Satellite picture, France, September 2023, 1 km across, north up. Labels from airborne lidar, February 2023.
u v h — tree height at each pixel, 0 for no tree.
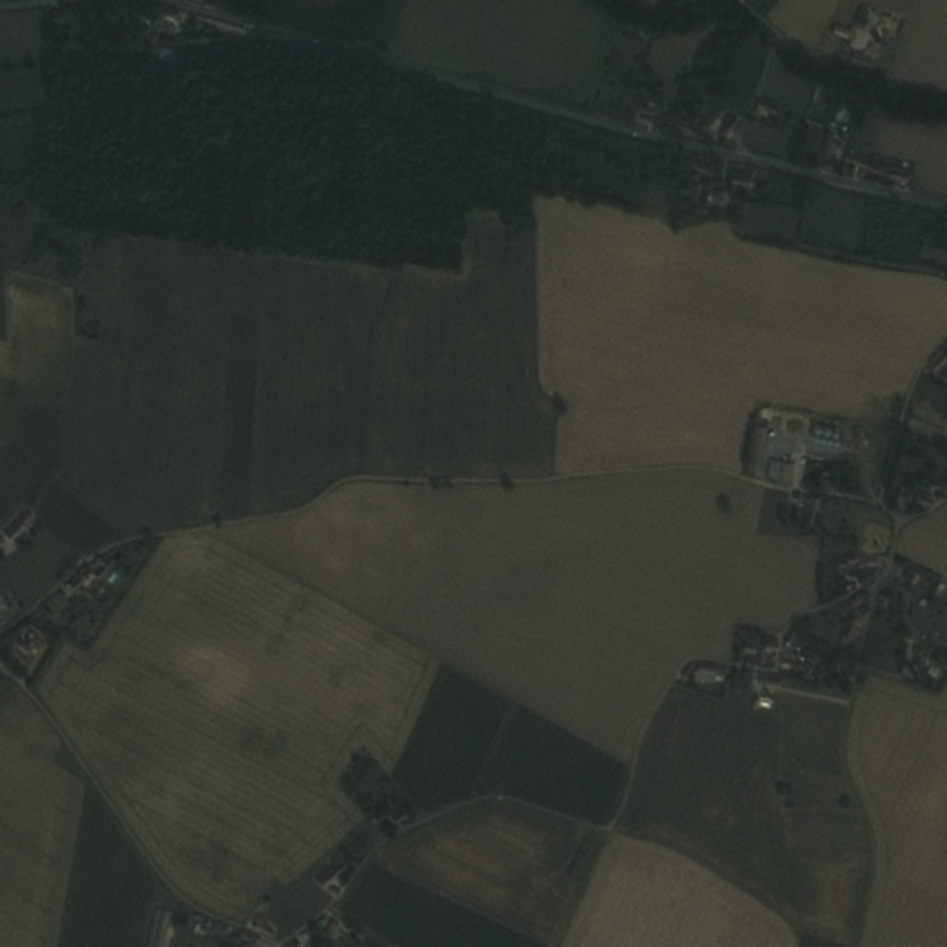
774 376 0
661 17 8
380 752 0
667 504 0
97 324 0
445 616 0
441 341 0
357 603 0
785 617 0
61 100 15
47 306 0
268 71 11
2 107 0
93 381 0
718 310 0
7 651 9
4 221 0
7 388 0
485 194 13
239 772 0
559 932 0
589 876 0
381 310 0
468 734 0
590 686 0
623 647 0
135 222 9
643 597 0
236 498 0
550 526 0
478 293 0
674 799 0
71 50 0
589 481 0
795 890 0
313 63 14
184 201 16
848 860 0
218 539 0
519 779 0
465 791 0
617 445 0
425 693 0
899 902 0
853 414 0
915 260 5
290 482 0
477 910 0
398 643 0
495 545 0
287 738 0
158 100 17
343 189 9
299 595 0
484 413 0
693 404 0
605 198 9
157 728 0
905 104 17
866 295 0
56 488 0
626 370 0
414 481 0
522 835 0
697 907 0
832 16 0
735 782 0
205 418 0
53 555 0
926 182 0
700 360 0
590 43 0
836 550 0
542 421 0
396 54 0
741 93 0
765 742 0
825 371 0
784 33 0
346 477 0
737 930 0
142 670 0
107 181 19
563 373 0
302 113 18
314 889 0
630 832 0
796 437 0
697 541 0
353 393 0
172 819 0
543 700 0
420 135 19
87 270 0
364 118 18
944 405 0
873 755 0
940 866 0
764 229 0
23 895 0
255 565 0
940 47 0
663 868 0
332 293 0
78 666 0
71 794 0
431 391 0
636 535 0
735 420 0
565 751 0
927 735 0
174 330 0
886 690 0
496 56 0
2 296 0
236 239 15
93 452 0
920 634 0
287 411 0
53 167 13
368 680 0
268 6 8
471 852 0
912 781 0
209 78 11
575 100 0
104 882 0
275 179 10
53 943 0
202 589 0
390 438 0
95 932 0
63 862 0
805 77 16
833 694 0
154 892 0
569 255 0
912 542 0
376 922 0
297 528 0
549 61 0
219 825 0
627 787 0
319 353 0
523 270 0
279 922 0
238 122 17
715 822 0
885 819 0
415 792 0
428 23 0
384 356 0
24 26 0
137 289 0
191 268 0
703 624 0
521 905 0
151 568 0
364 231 12
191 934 0
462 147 16
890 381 0
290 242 9
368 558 0
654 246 0
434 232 16
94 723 0
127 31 15
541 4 0
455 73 0
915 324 0
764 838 0
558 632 0
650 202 0
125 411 0
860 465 0
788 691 0
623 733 0
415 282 0
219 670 0
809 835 0
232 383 0
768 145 0
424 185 13
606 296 0
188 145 13
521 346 0
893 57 0
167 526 0
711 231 0
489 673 0
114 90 19
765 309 0
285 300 0
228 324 0
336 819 0
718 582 0
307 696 0
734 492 0
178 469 0
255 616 0
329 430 0
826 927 0
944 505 0
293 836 0
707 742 0
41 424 0
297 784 0
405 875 0
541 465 0
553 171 16
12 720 0
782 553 0
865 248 7
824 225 0
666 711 0
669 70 0
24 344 0
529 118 15
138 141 15
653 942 0
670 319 0
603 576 0
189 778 0
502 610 0
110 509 0
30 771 0
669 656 0
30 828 0
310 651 0
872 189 0
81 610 0
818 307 0
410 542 0
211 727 0
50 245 10
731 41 12
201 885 0
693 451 0
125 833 0
